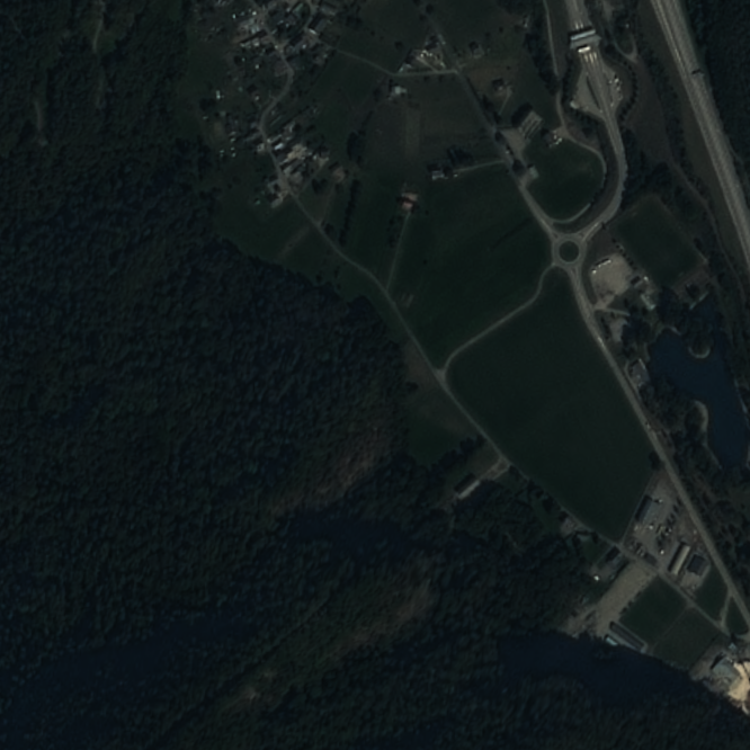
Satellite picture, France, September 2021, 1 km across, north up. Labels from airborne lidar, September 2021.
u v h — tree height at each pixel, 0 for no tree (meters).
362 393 16
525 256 0
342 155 0
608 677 30
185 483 30
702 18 11
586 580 7
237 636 19
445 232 0
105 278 33
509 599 26
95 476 24
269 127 0
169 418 33
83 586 18
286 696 8
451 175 9
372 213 0
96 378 23
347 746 25
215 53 0
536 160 0
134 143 33
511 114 0
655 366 0
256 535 29
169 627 27
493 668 22
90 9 23
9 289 18
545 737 7
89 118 28
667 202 17
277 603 20
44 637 18
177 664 18
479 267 0
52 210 33
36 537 19
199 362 33
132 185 33
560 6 0
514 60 0
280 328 27
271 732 22
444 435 0
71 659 24
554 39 0
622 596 0
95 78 27
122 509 25
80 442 24
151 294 29
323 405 27
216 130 0
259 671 14
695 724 14
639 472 0
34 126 8
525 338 0
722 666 0
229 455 30
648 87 0
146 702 21
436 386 0
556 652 0
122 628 30
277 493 18
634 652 0
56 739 24
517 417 0
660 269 0
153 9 13
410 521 13
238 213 0
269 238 0
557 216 0
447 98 0
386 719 28
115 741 18
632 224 0
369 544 13
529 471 0
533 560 23
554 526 0
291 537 18
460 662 20
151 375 29
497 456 0
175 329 32
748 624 0
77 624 16
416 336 0
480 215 0
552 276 0
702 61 0
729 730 16
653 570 0
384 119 0
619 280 0
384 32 0
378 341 26
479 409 0
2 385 27
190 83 0
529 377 0
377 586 17
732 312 0
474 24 0
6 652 24
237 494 24
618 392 0
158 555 25
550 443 0
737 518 22
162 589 16
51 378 7
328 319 18
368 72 0
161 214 32
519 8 14
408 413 11
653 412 17
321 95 0
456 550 21
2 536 26
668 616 0
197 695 21
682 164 7
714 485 28
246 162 0
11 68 24
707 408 0
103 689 18
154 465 19
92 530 22
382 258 0
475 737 20
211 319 37
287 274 0
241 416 27
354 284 0
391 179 0
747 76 13
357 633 7
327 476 18
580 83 0
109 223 31
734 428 0
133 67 24
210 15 8
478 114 0
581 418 0
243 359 30
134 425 31
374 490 31
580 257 0
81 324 28
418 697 29
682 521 0
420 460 0
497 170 0
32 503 18
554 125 0
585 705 9
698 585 0
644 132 0
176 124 21
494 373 0
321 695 37
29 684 19
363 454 8
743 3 18
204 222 31
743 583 17
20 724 18
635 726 19
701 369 0
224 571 12
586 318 0
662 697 17
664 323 26
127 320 28
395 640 13
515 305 0
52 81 25
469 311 0
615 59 12
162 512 34
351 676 29
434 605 18
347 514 23
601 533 0
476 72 0
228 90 0
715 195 0
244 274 29
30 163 29
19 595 9
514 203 0
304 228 0
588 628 0
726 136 11
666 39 0
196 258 33
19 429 24
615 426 0
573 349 0
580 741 19
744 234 0
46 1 21
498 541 14
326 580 15
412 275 0
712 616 0
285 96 0
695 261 0
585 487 0
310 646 14
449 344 0
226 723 25
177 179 22
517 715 29
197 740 19
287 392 15
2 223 26
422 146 0
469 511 15
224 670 17
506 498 12
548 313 0
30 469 28
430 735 14
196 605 11
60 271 24
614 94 0
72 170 18
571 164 0
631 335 14
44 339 25
